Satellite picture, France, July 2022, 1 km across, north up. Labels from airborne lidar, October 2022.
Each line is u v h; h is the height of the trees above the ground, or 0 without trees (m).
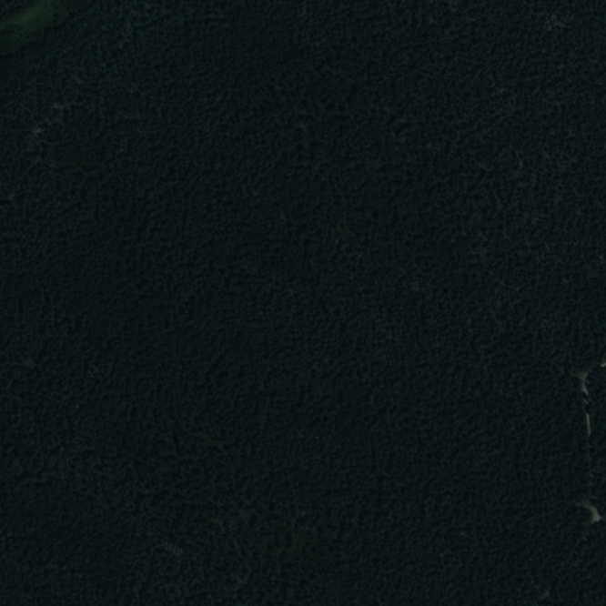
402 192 22
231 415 18
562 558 9
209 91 23
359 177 22
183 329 23
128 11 7
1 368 20
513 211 24
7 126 26
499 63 27
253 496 25
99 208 27
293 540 23
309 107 24
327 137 22
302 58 22
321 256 21
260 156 18
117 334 8
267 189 26
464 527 8
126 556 21
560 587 15
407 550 24
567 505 19
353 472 24
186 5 21
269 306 26
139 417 27
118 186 9
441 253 12
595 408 20
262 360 20
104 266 14
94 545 16
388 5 25
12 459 20
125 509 21
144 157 30
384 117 19
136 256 25
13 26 10
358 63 24
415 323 18
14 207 9
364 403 19
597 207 23
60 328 27
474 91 23
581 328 25
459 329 26
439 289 20
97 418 21
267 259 17
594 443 19
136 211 12
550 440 28
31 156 24
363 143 24
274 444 26
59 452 32
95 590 25
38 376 19
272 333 28
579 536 21
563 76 6
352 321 22
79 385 13
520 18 13
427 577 19
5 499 23
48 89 10
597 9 14
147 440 21
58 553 21
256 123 20
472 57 24
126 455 23
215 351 19
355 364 22
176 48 23
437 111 21
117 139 12
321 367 27
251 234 24
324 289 20
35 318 27
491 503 25
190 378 25
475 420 22
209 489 23
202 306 23
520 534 11
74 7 14
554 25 27
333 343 25
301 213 18
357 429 20
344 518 19
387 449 26
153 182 29
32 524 25
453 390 17
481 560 22
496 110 24
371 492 13
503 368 26
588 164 22
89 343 19
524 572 17
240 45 11
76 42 23
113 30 24
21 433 16
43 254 25
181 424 23
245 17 18
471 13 16
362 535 15
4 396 27
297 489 23
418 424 19
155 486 29
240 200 23
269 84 14
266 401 27
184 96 23
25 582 16
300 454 27
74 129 10
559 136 9
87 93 29
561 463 20
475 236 25
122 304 22
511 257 7
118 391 21
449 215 25
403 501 7
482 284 11
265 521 8
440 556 27
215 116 17
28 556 22
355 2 24
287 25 15
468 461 10
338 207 24
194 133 25
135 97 23
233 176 25
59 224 23
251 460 25
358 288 26
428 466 18
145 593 21
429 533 22
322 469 30
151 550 29
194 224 24
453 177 20
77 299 20
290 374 25
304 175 21
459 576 6
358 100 21
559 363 17
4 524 21
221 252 26
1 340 27
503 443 16
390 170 24
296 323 12
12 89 11
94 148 7
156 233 32
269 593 28
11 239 13
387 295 14
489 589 6
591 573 21
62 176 25
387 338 25
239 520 23
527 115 25
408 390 9
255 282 20
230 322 19
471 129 23
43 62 23
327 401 23
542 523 20
